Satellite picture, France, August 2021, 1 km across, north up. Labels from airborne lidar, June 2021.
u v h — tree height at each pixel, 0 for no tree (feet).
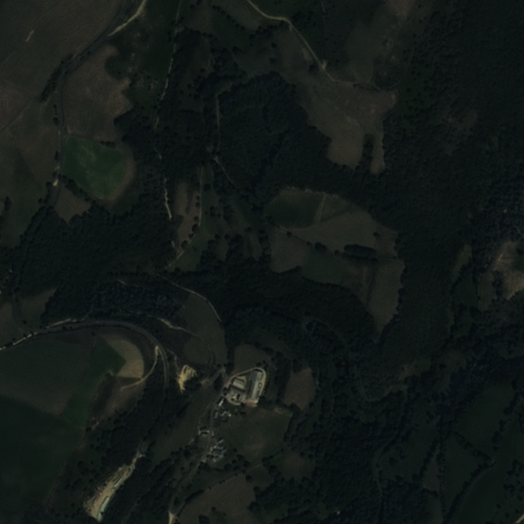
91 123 0
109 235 76
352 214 0
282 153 75
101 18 0
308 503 61
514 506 0
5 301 0
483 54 72
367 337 44
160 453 0
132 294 43
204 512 0
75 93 0
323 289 48
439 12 23
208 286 23
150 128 56
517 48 79
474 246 42
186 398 51
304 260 0
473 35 63
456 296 81
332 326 54
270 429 0
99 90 0
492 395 0
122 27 0
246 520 0
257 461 0
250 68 0
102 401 0
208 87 104
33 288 73
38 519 0
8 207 41
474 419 0
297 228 0
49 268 78
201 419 0
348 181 56
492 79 52
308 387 0
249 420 0
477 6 61
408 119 36
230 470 75
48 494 0
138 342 0
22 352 0
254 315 89
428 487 0
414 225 54
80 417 0
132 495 64
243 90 73
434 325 60
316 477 71
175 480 29
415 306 63
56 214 54
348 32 0
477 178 69
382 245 0
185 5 0
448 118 24
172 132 36
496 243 51
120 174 0
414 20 0
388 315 0
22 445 0
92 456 0
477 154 67
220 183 65
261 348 35
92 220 66
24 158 0
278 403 43
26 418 0
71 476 0
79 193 54
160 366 28
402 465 0
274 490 66
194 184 25
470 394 39
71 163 0
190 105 0
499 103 72
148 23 0
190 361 0
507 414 42
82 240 81
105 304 28
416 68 22
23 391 0
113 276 64
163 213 24
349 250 56
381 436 75
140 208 52
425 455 0
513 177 23
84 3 0
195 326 0
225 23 0
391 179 39
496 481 0
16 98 0
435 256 93
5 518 0
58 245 75
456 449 0
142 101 0
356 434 67
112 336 0
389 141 36
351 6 0
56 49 0
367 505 58
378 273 0
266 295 40
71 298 84
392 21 0
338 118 0
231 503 0
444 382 0
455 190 56
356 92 0
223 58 46
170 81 32
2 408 0
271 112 67
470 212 71
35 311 0
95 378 0
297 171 70
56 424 0
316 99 0
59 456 0
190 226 0
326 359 91
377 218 58
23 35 0
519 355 0
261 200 76
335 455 79
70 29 0
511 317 45
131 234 75
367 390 23
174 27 31
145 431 68
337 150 0
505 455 0
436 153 41
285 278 51
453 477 0
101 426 0
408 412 55
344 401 67
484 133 71
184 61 44
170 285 24
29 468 0
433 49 30
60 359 0
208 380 0
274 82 57
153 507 22
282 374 55
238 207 0
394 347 61
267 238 41
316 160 65
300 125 65
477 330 63
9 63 0
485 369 23
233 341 49
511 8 79
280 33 0
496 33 56
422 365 0
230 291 43
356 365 70
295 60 0
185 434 0
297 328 99
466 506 0
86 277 86
